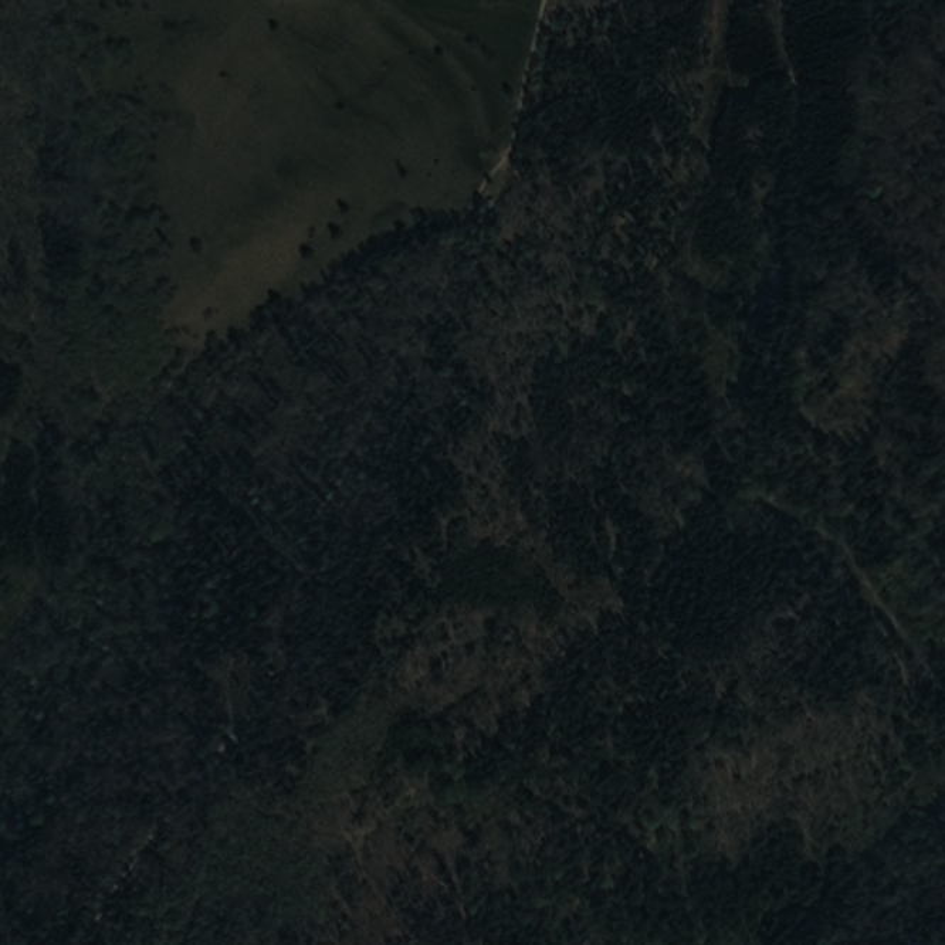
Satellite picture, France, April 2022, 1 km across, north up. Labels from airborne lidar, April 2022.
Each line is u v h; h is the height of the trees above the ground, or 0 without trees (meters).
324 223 0
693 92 26
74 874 6
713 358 13
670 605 39
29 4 28
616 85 30
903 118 21
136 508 13
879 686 13
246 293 0
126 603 16
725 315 33
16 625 27
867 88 21
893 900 34
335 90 0
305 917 11
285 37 0
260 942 8
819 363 28
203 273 0
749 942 38
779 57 24
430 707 14
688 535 34
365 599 11
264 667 17
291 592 11
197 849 15
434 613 6
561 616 10
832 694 21
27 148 25
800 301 28
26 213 27
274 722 12
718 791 22
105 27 0
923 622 24
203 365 13
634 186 40
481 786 40
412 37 0
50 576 24
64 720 22
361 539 16
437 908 31
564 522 35
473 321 10
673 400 7
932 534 10
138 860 16
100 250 20
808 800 30
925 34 22
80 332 21
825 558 9
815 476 29
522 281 23
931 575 35
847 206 21
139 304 12
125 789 7
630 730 34
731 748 23
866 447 26
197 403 14
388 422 14
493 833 14
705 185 25
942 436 25
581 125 29
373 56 0
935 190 8
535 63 14
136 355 11
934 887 26
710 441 31
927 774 21
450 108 0
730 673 25
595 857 33
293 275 0
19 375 28
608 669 33
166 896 12
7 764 12
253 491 11
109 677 13
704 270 12
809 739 25
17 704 22
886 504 17
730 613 33
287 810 14
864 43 26
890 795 6
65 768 12
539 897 36
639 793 37
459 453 7
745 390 9
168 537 14
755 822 31
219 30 0
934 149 6
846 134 30
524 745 48
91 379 10
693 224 34
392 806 8
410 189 0
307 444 8
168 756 9
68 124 32
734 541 32
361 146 0
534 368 24
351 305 8
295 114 0
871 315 12
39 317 24
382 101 0
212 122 0
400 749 13
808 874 39
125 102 8
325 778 16
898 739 22
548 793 21
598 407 27
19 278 22
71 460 16
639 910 44
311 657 16
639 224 40
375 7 0
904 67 15
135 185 17
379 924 11
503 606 10
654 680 28
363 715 11
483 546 9
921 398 25
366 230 0
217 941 13
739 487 29
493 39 0
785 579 12
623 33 24
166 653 27
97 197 25
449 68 0
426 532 7
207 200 0
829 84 25
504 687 10
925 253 7
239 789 13
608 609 11
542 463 31
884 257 13
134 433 9
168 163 0
